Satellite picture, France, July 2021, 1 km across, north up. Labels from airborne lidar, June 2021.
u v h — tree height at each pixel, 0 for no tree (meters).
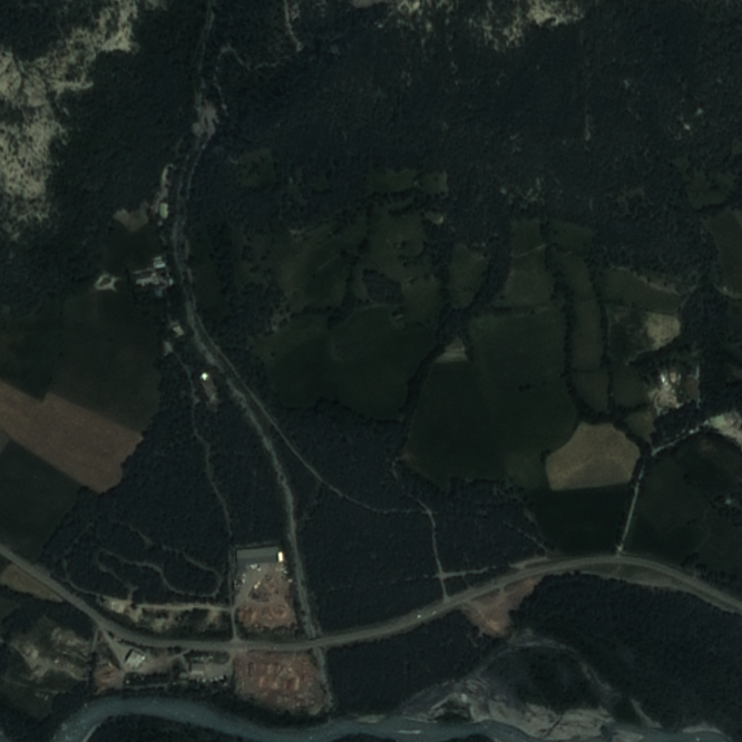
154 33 12
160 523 12
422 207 9
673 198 9
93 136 10
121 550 12
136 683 7
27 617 10
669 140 10
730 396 10
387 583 8
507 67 9
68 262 11
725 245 0
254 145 9
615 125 12
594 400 0
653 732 0
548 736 0
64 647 0
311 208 12
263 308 8
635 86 8
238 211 8
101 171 10
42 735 12
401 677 13
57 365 0
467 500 13
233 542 9
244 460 13
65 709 9
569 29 10
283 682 0
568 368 8
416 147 13
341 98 9
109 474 0
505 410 0
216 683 10
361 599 11
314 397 0
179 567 10
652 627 16
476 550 10
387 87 14
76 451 0
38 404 0
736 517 11
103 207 11
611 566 0
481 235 7
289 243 0
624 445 0
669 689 6
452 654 12
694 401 7
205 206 12
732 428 0
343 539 11
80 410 0
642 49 8
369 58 17
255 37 15
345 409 13
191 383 12
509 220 8
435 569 7
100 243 14
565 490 0
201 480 12
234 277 5
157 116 12
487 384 0
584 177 9
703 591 0
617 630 12
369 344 0
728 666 10
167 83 14
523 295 0
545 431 0
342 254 7
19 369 0
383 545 10
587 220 7
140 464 11
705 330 16
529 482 0
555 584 13
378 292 9
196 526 13
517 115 8
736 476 0
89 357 0
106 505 14
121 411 0
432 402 0
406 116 17
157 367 10
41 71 6
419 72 14
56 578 6
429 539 9
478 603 0
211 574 10
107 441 0
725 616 10
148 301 6
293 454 11
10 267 7
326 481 7
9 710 8
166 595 10
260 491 11
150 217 9
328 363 0
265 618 0
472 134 7
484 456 0
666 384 0
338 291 0
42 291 12
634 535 0
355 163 20
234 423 10
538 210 12
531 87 8
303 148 16
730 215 0
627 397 0
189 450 9
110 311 0
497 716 0
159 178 9
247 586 0
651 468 11
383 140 10
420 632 8
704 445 0
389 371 0
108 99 11
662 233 9
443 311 7
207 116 0
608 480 0
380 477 12
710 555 0
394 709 15
